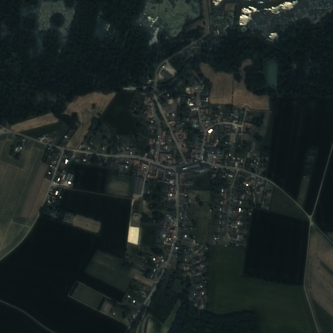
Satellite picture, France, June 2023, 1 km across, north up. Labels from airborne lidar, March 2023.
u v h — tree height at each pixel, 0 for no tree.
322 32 23
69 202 0
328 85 22
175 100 0
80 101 0
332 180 0
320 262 0
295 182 0
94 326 0
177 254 6
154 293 7
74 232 0
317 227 0
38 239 0
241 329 22
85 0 8
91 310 0
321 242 0
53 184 0
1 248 0
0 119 25
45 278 0
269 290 0
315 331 0
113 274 0
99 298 0
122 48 7
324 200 0
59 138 0
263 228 0
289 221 0
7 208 0
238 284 0
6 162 0
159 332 0
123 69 36
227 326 19
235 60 12
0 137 0
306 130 0
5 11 27
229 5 0
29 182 0
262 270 0
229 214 0
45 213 13
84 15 14
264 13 0
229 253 0
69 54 15
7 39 16
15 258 0
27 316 0
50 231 0
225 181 11
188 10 0
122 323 0
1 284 0
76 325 0
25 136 0
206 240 0
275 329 0
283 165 0
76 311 0
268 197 0
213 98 0
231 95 0
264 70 0
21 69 9
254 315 17
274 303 0
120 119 0
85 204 0
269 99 0
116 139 8
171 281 6
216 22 0
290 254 0
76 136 0
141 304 0
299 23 19
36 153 0
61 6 0
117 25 10
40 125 0
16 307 0
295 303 0
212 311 0
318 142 0
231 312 0
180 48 11
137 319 9
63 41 0
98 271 0
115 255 0
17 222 0
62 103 27
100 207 0
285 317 0
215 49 16
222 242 0
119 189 0
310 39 10
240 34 14
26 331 0
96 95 0
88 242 0
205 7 0
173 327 15
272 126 0
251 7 0
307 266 0
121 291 0
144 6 0
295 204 0
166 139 0
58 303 0
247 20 0
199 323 17
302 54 28
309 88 22
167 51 9
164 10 0
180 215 0
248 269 0
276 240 0
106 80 35
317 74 17
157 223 10
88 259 0
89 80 30
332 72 28
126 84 8
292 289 0
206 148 13
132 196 0
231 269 0
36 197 0
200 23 0
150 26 0
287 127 0
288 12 0
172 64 0
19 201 0
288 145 0
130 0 16
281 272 0
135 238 0
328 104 0
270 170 0
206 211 0
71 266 0
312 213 0
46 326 0
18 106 16
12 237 0
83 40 13
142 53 19
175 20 0
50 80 7
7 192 0
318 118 0
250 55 8
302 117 0
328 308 0
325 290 0
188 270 8
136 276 0
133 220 0
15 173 0
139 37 8
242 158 0
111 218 0
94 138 0
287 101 0
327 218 0
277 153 0
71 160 0
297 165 0
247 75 26
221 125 0
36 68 13
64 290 0
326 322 0
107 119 0
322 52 17
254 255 0
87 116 0
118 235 0
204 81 16
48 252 0
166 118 0
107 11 18
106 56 20
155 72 0
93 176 0
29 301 0
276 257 0
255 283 0
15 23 25
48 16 0
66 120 23
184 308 16
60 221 10
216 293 0
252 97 0
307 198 0
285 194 0
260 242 0
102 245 0
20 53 15
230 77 0
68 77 37
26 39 21
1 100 18
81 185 0
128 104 0
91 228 0
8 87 22
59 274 0
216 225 0
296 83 31
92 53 32
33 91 13
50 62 12
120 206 0
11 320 0
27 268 0
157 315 0
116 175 0
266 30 0
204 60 21
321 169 0
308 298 0
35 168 0
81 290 0
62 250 0
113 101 0
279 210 0
